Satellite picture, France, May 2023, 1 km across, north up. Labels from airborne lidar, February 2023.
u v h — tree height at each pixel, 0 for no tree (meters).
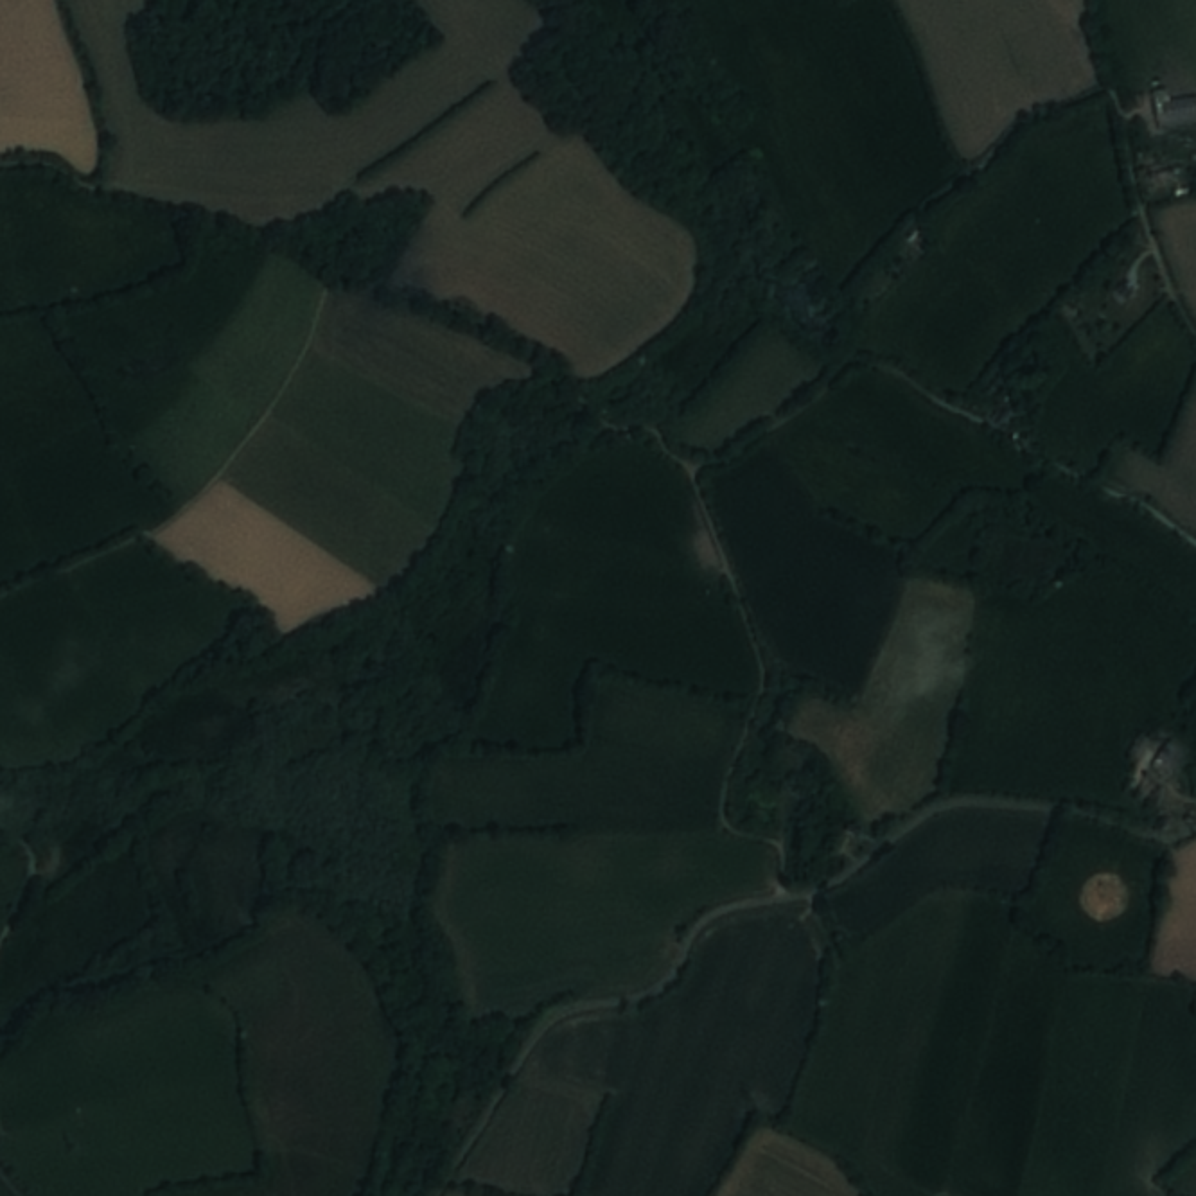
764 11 0
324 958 0
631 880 0
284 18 12
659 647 0
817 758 11
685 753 0
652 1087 0
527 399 6
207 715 0
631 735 0
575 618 0
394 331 0
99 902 0
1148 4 0
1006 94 0
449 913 0
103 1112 0
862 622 0
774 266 7
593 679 13
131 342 0
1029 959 0
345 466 0
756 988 0
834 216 0
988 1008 0
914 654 0
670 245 0
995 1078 0
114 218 0
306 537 0
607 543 0
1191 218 0
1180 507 0
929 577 6
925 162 0
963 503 10
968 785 0
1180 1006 0
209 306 0
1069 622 0
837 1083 0
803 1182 0
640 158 13
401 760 7
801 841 16
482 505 10
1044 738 0
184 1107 0
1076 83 0
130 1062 0
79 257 0
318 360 0
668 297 0
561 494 0
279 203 0
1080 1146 0
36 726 0
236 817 8
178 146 0
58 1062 0
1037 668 0
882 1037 0
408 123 0
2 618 0
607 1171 0
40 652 0
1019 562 0
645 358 11
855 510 0
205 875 0
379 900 7
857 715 0
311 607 0
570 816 0
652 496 0
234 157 0
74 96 0
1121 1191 0
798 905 0
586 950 0
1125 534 0
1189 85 0
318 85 23
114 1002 16
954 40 0
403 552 0
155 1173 0
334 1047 0
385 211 11
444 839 14
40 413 0
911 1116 0
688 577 0
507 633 12
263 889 7
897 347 0
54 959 0
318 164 0
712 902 0
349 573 0
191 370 0
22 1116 0
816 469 0
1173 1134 0
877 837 9
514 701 0
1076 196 0
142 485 12
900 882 0
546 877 0
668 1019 0
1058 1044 0
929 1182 0
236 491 0
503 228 0
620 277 0
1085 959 0
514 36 0
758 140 0
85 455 0
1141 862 0
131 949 10
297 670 0
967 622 0
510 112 0
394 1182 11
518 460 9
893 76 0
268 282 0
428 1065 15
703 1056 0
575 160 0
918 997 0
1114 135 11
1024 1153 0
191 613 0
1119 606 0
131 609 0
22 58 0
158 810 12
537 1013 8
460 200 0
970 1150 0
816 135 0
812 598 0
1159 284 7
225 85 13
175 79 11
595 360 0
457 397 0
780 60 0
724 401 0
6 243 0
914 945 0
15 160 6
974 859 0
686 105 0
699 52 9
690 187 12
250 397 0
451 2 0
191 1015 0
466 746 11
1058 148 0
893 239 8
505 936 0
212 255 0
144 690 0
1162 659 0
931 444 0
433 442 0
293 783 6
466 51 0
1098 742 0
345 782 6
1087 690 0
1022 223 0
